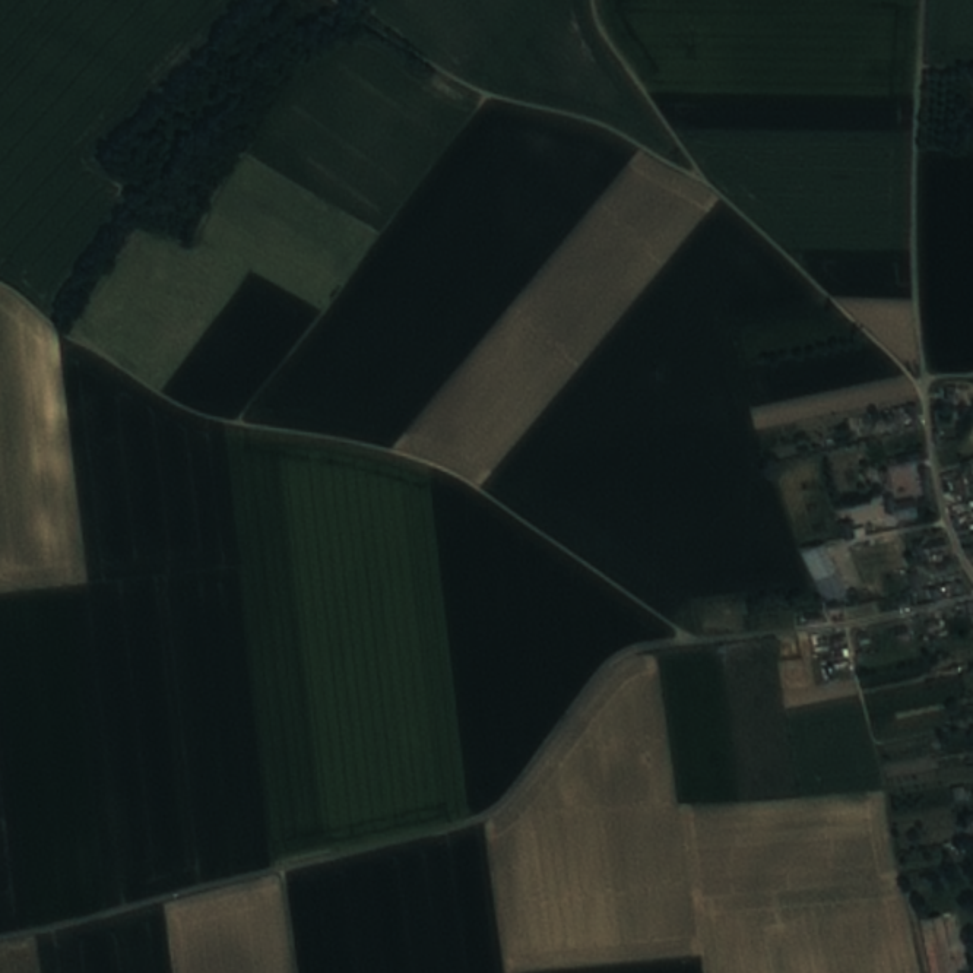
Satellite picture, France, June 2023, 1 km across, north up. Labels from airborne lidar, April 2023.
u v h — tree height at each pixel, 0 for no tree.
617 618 0
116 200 0
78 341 0
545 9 0
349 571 0
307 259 0
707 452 0
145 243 0
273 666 0
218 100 12
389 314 0
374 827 0
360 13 14
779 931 0
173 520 0
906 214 0
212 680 0
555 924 0
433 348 0
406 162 0
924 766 0
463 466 0
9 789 0
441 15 0
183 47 0
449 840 0
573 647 0
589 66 0
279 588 0
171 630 0
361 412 0
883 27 0
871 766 0
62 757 0
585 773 0
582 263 0
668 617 0
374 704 0
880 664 0
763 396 0
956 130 15
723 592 0
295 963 0
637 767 0
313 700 0
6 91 0
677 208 0
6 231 0
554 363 0
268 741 0
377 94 0
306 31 22
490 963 0
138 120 10
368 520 0
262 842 0
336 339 0
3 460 0
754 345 0
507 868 0
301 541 0
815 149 0
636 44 0
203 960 0
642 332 0
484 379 0
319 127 0
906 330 0
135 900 0
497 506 0
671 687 0
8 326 0
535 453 0
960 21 0
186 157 20
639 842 0
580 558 0
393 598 0
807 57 0
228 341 0
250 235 0
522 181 0
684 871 0
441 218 0
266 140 0
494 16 0
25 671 0
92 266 17
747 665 0
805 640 0
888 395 0
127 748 0
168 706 0
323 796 0
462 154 0
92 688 0
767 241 0
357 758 0
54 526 0
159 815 0
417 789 0
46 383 0
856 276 0
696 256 0
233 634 0
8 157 0
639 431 0
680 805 0
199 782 0
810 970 0
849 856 0
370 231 0
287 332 0
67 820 0
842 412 0
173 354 0
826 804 0
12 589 0
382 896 0
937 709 0
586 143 0
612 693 0
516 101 0
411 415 0
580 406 0
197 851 0
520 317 0
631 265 0
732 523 0
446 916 0
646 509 0
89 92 0
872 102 0
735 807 0
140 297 0
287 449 0
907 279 0
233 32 16
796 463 0
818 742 0
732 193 0
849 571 0
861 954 0
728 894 0
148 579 0
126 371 0
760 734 0
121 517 0
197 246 0
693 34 0
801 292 0
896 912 0
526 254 0
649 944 0
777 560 0
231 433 0
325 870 0
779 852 0
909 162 0
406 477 0
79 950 0
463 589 0
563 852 0
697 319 0
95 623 0
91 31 0
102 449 0
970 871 21
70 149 0
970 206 0
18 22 0
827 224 0
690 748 0
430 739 0
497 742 0
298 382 0
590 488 0
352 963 0
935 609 0
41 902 0
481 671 0
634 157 0
